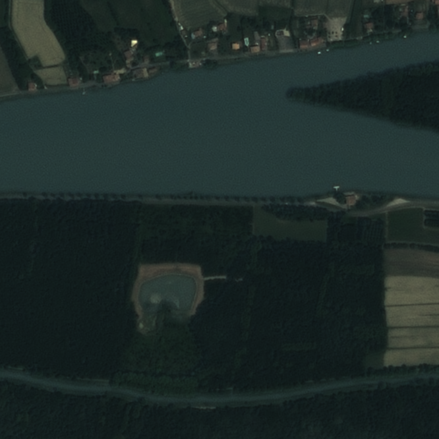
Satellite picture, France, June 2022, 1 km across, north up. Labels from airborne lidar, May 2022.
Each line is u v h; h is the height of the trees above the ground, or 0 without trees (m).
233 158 0
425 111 16
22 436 21
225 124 0
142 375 20
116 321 17
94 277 17
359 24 0
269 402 0
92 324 18
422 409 13
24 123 0
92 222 33
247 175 0
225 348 20
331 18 0
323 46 0
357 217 0
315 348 24
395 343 0
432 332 0
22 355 20
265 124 0
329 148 0
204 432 11
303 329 20
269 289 18
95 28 21
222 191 0
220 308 19
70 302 16
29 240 20
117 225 19
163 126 0
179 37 14
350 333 20
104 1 0
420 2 0
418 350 0
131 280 18
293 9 0
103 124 0
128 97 0
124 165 0
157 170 0
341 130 0
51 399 12
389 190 0
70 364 19
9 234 21
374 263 12
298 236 0
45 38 0
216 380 21
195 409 13
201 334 20
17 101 0
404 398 8
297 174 0
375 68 0
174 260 7
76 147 0
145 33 0
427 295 0
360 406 10
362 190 0
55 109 0
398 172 0
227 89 0
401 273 0
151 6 0
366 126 0
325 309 21
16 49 14
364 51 0
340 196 26
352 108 12
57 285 18
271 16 0
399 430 8
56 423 13
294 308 19
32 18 0
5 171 0
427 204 0
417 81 17
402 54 0
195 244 8
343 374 19
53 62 0
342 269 28
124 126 0
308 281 21
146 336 0
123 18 0
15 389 16
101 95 0
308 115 0
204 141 0
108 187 0
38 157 0
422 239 0
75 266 16
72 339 18
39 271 18
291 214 20
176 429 16
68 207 22
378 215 0
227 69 0
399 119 14
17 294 19
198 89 0
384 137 0
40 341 18
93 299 15
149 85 0
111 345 18
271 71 0
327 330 31
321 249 26
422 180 0
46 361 20
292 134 0
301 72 0
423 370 11
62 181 0
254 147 0
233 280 17
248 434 9
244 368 23
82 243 18
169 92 0
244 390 11
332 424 7
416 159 0
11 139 0
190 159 0
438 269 0
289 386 23
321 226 0
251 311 22
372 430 7
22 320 19
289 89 0
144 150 0
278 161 0
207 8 0
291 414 17
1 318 19
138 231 25
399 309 0
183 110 0
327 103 18
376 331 26
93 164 0
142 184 0
